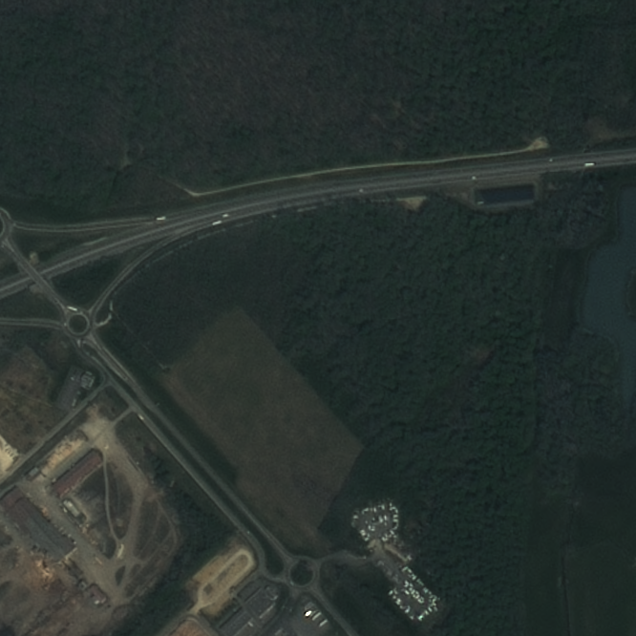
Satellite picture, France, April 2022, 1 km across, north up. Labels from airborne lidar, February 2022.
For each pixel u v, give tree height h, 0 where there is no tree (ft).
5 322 0
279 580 0
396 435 91
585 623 0
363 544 0
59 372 0
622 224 0
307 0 93
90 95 91
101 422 0
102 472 0
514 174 0
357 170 0
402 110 0
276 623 0
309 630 0
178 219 0
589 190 82
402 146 100
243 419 0
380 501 0
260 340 0
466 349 77
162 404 0
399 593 0
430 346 84
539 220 71
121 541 0
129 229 0
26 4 72
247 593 0
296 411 0
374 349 88
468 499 68
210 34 100
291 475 0
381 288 90
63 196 80
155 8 90
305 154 93
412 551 0
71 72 91
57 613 0
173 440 0
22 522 0
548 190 0
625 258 0
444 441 69
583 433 85
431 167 0
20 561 0
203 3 82
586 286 0
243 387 0
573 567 0
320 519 0
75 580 0
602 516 0
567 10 76
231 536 22
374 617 40
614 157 0
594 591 0
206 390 0
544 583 0
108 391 0
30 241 0
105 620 0
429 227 75
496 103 88
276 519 0
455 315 79
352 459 0
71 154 98
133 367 0
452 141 84
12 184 84
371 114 95
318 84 98
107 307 0
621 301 0
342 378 89
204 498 0
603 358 75
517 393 48
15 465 0
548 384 72
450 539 52
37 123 83
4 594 0
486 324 80
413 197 0
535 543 0
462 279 82
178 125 96
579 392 54
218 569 0
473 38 80
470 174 0
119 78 98
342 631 0
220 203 0
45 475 0
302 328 75
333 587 0
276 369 0
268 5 90
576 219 58
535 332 40
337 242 80
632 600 0
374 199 0
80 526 0
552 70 88
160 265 40
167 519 0
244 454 0
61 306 0
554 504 0
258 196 0
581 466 0
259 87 96
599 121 0
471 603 77
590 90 72
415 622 0
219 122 88
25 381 0
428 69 85
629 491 0
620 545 0
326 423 0
